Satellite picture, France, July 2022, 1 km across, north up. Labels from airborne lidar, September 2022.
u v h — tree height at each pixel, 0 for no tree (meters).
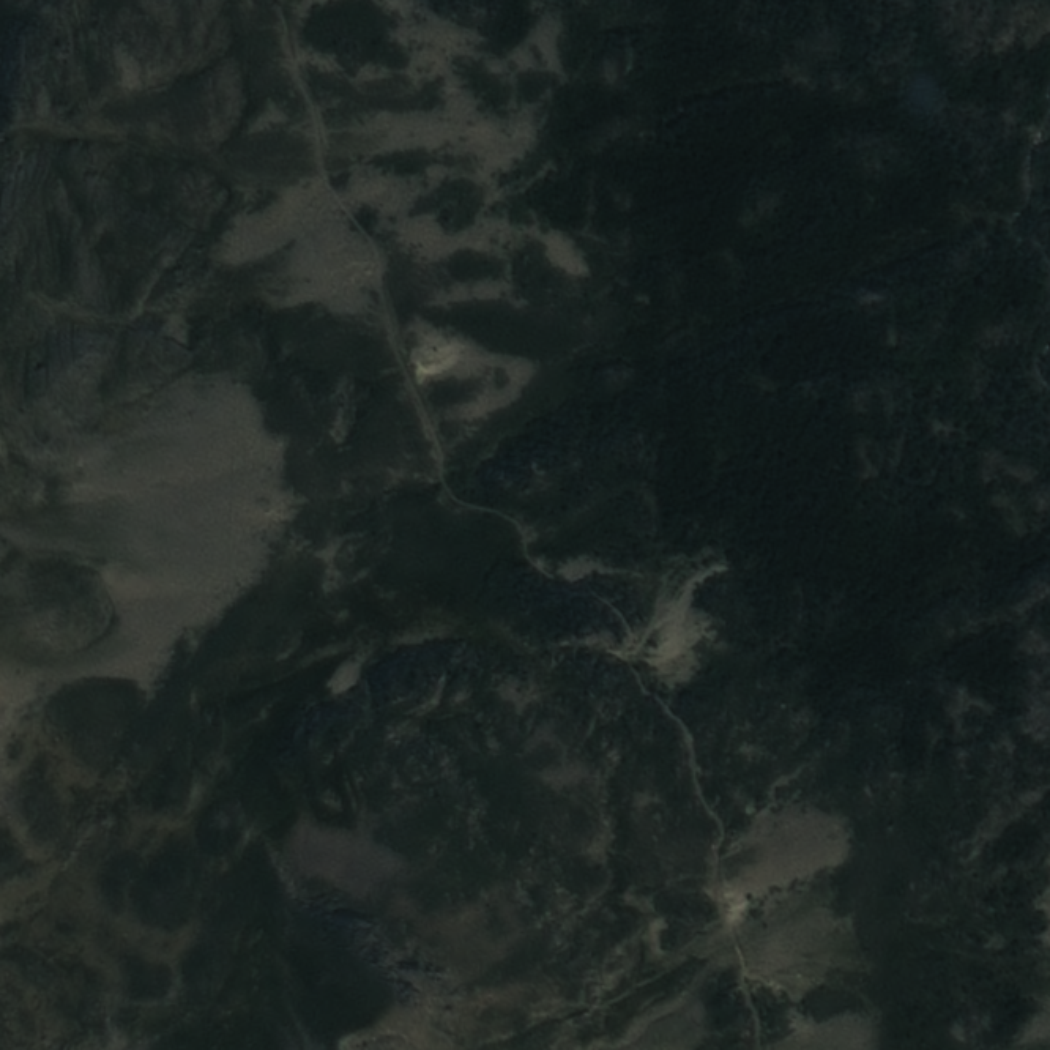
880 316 8
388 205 0
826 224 10
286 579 0
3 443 0
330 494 0
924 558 12
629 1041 0
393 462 0
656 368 6
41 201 0
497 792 0
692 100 14
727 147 6
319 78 0
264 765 0
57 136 0
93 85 0
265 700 0
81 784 0
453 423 0
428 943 0
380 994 0
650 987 0
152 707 0
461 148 0
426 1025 0
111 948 0
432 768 0
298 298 0
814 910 0
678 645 0
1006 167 11
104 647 0
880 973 0
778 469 15
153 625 0
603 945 0
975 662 13
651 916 0
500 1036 0
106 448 0
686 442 13
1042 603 6
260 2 0
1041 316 7
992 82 13
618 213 6
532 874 0
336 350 0
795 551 10
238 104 0
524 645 0
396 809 0
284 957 0
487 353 0
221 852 0
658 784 0
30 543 0
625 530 7
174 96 0
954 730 12
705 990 0
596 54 6
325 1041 0
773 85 10
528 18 7
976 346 7
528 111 0
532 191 7
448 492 0
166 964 0
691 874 0
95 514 0
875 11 8
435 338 0
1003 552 11
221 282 0
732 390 12
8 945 0
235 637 0
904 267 15
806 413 9
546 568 0
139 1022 0
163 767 0
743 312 5
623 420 8
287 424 0
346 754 0
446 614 0
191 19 0
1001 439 7
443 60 0
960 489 13
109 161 0
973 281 13
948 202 11
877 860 0
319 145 0
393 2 0
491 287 0
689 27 9
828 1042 0
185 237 0
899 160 9
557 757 0
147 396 0
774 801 0
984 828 0
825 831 0
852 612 19
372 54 0
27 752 0
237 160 0
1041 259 14
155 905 0
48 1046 0
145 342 0
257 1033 0
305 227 0
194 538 0
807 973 0
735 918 0
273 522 0
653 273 8
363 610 0
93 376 0
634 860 0
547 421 11
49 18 0
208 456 0
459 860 0
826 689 10
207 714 0
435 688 0
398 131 0
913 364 12
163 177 0
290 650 0
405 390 0
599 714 0
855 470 9
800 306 13
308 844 0
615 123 0
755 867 0
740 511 7
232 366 0
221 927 0
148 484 0
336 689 0
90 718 0
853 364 13
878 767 7
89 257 0
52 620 0
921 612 7
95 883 0
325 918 0
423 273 0
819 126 6
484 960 0
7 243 0
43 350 0
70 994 0
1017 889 8
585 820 0
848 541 12
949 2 0
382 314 0
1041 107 8
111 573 0
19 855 0
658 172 9
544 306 0
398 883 0
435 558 0
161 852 0
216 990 0
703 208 12
